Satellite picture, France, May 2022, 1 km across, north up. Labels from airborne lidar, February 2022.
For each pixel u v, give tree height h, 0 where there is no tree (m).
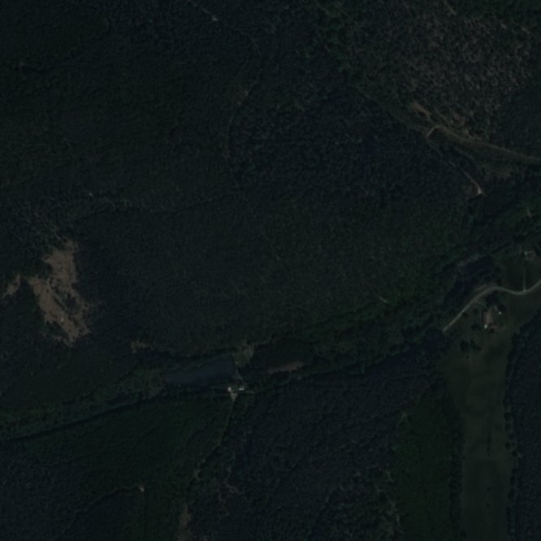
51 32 16
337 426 19
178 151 23
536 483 26
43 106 21
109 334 25
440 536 16
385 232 25
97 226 32
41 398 22
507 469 0
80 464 9
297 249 20
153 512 17
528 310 0
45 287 0
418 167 32
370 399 27
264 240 23
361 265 27
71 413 21
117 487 13
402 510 15
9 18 17
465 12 26
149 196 19
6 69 22
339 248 25
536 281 0
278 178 25
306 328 25
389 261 26
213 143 29
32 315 24
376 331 24
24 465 22
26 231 32
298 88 25
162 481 16
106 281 29
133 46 22
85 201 33
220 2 22
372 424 26
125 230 21
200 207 23
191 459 12
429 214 25
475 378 0
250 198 23
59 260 0
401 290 26
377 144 31
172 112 26
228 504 7
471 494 0
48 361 24
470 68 23
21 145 25
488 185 9
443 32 26
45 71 25
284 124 37
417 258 26
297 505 23
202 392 30
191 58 20
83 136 24
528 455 29
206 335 22
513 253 9
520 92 28
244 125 33
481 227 27
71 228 28
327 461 23
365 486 31
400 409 19
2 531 24
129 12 30
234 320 24
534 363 26
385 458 25
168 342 19
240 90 26
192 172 22
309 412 24
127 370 13
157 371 0
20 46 19
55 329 20
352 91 24
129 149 23
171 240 21
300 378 0
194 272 22
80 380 23
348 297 25
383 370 28
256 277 25
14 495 25
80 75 22
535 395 24
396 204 25
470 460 0
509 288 0
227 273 24
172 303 25
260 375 27
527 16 27
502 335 0
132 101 25
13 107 21
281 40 20
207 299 21
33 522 24
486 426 0
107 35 26
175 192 22
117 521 18
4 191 20
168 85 24
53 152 27
